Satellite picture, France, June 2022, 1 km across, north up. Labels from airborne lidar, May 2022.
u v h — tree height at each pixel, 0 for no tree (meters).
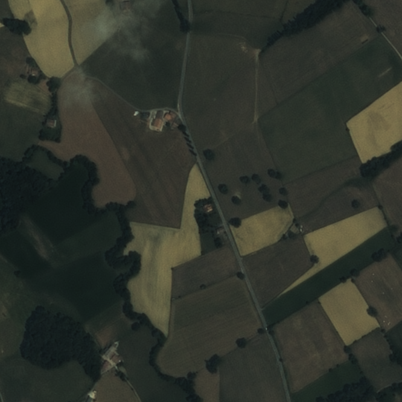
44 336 26
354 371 0
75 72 0
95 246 0
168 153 0
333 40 0
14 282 0
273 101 0
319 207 0
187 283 0
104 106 0
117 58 0
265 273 0
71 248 0
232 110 0
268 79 0
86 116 0
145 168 0
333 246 0
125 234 11
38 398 0
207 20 0
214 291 0
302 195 0
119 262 23
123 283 12
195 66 0
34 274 0
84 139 0
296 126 0
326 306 0
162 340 14
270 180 0
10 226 27
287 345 0
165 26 0
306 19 27
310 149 0
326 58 0
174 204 0
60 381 0
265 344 0
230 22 0
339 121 0
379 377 0
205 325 0
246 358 0
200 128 0
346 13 0
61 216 0
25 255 0
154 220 0
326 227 0
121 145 0
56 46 0
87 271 0
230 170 0
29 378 0
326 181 0
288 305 0
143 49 0
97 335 0
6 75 0
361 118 0
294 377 0
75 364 0
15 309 0
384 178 0
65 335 22
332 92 0
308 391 0
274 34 0
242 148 0
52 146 0
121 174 0
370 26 0
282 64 0
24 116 0
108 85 0
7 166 25
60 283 0
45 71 0
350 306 0
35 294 0
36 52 0
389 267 0
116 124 0
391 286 0
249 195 0
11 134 0
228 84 0
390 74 0
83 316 0
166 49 0
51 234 0
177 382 14
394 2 0
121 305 0
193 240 0
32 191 30
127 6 0
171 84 0
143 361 0
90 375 15
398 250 0
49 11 0
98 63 0
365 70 0
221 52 0
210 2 0
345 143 0
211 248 0
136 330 17
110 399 0
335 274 0
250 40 0
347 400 24
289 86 0
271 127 0
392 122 0
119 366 8
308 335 0
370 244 0
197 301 0
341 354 0
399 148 17
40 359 19
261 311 0
